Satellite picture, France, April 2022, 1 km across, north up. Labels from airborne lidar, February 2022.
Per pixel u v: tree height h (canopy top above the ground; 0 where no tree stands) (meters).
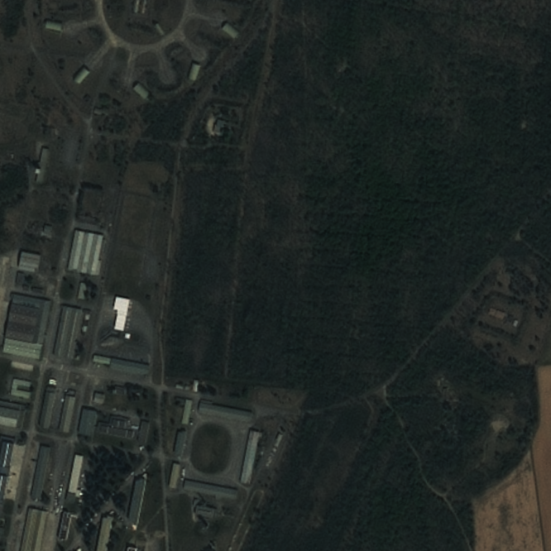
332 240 11
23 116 0
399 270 9
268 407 0
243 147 0
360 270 10
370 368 9
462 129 13
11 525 0
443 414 13
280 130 14
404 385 12
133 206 0
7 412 0
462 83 14
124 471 17
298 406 0
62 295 0
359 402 10
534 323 0
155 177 0
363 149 17
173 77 0
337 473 0
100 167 0
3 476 0
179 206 0
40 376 0
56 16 0
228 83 11
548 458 0
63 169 0
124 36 0
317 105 12
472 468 0
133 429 0
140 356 0
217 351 7
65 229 0
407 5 10
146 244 0
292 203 13
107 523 0
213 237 14
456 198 18
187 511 0
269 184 13
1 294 0
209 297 14
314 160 13
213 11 0
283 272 11
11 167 6
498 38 9
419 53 11
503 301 0
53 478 0
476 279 11
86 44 0
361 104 13
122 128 10
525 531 0
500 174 14
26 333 0
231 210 12
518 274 14
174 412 0
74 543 0
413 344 14
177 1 0
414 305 11
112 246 0
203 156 13
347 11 14
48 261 0
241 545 0
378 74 15
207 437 0
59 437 0
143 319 0
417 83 18
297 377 15
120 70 0
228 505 0
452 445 14
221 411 0
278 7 0
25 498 0
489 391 20
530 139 9
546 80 13
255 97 9
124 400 0
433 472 11
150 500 0
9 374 0
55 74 0
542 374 0
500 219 14
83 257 0
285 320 12
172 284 0
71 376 0
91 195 0
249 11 7
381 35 15
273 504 13
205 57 0
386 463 15
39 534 0
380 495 17
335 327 9
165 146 11
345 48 16
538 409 9
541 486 0
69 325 0
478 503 0
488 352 13
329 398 9
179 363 9
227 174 13
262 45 13
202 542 0
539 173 15
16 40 0
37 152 0
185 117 11
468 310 11
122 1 0
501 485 0
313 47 10
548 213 11
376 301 8
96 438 0
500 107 12
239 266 12
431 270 12
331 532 11
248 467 0
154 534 0
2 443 0
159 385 0
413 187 14
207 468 0
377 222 13
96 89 0
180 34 0
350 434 0
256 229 12
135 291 0
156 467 0
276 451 0
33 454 0
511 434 16
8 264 0
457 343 7
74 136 0
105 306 0
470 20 14
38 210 0
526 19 10
